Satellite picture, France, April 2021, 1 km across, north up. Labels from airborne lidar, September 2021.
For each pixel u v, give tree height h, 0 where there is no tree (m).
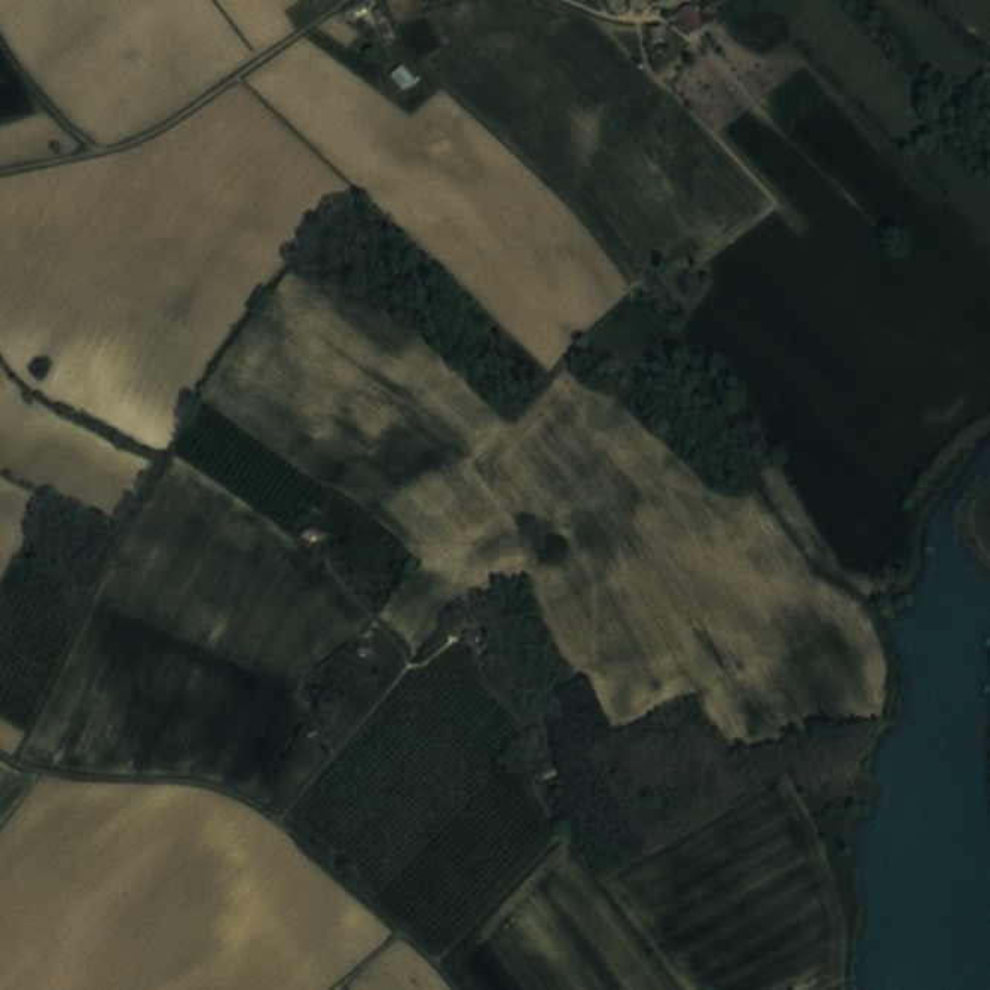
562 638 0
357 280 28
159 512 0
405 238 21
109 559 21
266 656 0
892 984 0
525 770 14
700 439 24
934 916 0
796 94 0
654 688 0
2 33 0
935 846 0
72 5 0
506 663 17
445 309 27
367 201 19
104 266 0
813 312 0
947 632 0
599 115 0
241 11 0
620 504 0
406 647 7
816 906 0
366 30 12
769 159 0
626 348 0
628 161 0
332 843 6
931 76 15
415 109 0
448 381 0
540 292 0
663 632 0
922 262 0
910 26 0
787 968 0
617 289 0
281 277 0
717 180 0
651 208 0
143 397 0
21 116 0
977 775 0
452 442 0
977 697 0
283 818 0
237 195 0
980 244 0
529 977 0
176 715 0
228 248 0
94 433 14
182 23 0
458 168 0
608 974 0
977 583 0
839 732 23
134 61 0
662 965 0
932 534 0
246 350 0
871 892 0
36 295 0
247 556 0
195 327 0
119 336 0
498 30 0
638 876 0
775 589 0
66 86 0
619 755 19
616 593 0
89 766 0
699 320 0
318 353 0
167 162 0
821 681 0
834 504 0
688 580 0
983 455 0
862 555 0
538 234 0
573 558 0
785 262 0
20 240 0
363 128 0
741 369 0
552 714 18
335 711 21
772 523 0
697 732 18
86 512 19
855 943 7
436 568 0
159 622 0
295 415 0
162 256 0
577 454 0
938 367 0
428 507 0
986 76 10
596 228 0
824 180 0
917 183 0
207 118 0
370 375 0
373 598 6
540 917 0
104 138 0
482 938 0
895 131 0
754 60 0
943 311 0
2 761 0
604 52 0
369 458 0
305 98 0
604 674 0
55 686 0
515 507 0
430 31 0
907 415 0
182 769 0
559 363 0
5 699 6
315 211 0
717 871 0
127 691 0
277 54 0
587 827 12
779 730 0
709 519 0
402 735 6
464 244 0
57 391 0
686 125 0
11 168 0
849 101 0
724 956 0
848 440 0
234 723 0
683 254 0
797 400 0
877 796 0
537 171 0
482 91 0
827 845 9
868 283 0
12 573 0
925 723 0
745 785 19
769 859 0
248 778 0
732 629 0
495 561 0
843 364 0
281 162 0
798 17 0
